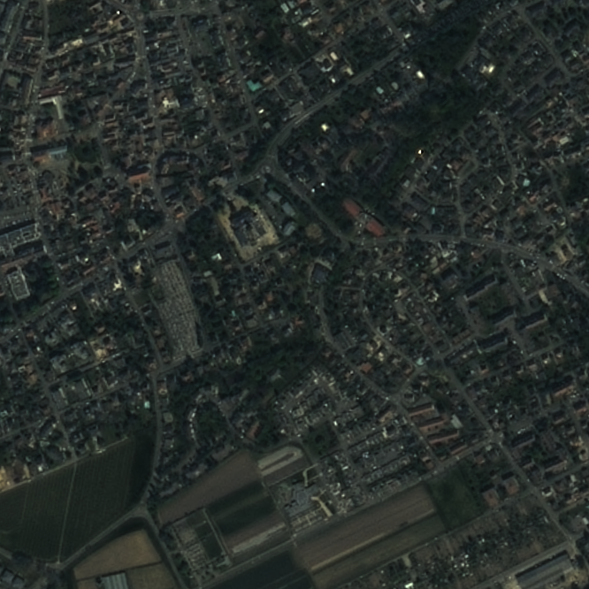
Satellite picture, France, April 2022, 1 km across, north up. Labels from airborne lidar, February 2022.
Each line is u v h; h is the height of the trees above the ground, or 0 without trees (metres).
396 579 9
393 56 0
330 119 0
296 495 0
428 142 21
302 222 0
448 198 0
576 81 7
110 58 0
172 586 0
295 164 18
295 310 18
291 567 0
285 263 0
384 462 0
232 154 0
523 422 0
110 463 0
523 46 0
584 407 0
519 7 0
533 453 9
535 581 0
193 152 0
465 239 0
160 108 0
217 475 0
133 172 0
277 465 0
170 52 0
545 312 13
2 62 0
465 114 10
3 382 6
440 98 20
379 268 0
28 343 7
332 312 6
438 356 0
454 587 0
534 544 0
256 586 0
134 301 0
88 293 0
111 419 13
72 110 12
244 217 0
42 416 8
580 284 0
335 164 16
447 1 0
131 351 6
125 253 0
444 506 0
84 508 0
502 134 0
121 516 0
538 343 8
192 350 0
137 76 0
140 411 0
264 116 0
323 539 0
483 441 0
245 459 0
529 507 0
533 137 0
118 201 0
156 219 17
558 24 7
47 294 24
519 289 0
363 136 6
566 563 0
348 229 30
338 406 0
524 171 0
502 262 0
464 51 0
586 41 0
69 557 0
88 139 0
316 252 10
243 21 0
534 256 0
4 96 0
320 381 0
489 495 0
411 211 0
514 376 6
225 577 0
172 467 20
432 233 6
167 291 0
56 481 0
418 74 0
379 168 0
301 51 0
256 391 18
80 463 0
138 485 0
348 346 0
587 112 0
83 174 17
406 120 24
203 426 18
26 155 0
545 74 0
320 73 6
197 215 9
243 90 0
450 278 0
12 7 0
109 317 7
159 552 0
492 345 0
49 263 18
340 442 0
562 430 0
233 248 10
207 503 0
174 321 0
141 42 0
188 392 16
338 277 11
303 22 0
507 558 0
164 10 0
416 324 0
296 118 0
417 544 0
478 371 0
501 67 7
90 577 0
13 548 0
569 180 0
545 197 0
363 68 13
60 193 0
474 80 0
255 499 0
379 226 0
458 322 0
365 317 0
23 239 0
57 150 0
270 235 0
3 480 0
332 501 0
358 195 17
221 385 19
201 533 0
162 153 0
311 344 11
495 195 0
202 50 0
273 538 0
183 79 0
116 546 0
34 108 0
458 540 0
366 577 0
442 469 0
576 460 9
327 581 0
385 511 0
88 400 0
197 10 0
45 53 0
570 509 0
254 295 7
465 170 0
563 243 0
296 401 0
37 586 0
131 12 0
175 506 0
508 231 0
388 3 0
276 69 0
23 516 0
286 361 24
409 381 0
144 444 0
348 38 11
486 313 0
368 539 0
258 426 0
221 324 14
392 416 0
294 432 0
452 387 0
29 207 0
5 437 0
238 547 0
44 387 0
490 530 0
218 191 9
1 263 0
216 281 0
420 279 0
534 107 14
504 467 7
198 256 7
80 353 0
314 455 0
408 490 0
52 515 0
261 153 12
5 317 17
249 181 0
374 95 0
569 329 7
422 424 0
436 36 10
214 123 0
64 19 0
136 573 0
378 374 0
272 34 0
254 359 16
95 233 0
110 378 0
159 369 0
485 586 0
